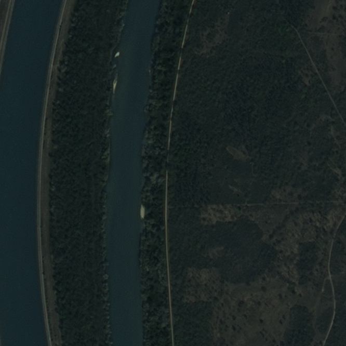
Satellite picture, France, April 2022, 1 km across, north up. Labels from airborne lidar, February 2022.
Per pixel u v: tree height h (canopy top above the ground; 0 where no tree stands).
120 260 0
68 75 15
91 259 21
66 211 14
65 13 0
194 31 15
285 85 13
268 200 14
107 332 24
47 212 0
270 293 0
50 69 0
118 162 0
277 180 14
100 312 19
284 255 8
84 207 17
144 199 8
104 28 19
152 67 15
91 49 21
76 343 7
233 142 14
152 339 13
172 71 16
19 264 0
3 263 0
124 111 0
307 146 9
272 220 0
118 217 0
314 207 14
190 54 16
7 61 0
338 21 10
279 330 0
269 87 10
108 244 0
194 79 10
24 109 0
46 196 0
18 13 0
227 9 10
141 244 14
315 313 0
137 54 0
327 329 6
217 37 0
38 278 0
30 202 0
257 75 14
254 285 0
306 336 12
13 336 0
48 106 0
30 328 0
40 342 0
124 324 0
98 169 16
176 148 15
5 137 0
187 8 10
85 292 22
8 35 0
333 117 15
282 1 12
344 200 13
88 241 14
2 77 0
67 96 18
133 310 0
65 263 7
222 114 17
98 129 20
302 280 6
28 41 0
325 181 12
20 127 0
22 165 0
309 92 12
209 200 13
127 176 0
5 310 0
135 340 0
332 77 0
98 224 19
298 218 6
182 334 11
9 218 0
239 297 0
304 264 6
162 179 21
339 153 14
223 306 13
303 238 0
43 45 0
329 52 0
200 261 11
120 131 0
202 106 13
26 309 0
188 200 15
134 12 0
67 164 16
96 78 14
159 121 0
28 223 0
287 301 0
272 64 16
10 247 0
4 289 0
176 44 6
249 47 11
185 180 18
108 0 24
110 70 22
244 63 12
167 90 10
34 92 0
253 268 11
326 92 11
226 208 12
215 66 6
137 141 0
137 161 0
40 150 0
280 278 11
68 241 24
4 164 0
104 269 19
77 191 20
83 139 9
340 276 0
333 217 7
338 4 11
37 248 0
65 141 13
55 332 0
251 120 15
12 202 0
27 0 0
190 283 15
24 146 0
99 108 22
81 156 9
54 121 20
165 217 0
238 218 8
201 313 14
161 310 17
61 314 21
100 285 19
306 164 0
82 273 20
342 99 14
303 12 11
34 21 0
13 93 0
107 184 0
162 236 12
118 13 22
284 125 16
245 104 20
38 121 0
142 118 0
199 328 14
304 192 13
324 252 9
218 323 11
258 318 0
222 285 9
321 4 0
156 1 0
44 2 0
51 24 0
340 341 7
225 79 11
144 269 13
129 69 0
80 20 10
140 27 0
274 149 13
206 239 6
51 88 0
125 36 0
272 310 0
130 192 0
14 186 0
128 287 0
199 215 14
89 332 18
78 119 14
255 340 0
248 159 0
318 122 0
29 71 0
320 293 0
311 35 0
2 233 0
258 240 11
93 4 21
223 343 6
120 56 0
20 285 0
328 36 0
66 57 18
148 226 20
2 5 0
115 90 0
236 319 14
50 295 0
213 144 17
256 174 11
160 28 9
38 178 0
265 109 10
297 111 14
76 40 7
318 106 10
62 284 17
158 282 14
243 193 0
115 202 0
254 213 0
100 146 27
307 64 11
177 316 11
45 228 0
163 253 19
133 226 0
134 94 0
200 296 10
